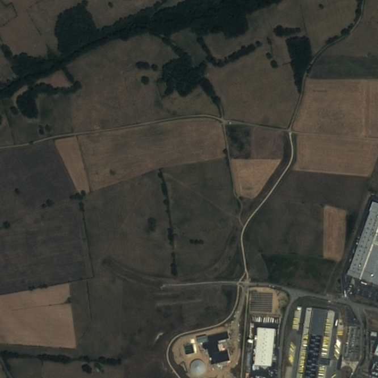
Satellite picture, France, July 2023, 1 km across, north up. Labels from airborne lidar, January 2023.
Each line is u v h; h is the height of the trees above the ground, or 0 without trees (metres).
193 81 16
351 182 0
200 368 0
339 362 0
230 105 0
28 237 0
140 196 0
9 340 0
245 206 0
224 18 23
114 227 0
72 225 0
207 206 0
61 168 0
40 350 0
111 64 0
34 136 0
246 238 0
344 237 0
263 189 0
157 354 0
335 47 0
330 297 0
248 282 0
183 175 0
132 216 0
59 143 0
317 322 0
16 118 0
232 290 0
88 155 0
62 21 16
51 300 0
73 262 0
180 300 0
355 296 0
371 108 0
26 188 0
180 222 0
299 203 0
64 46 18
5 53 17
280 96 0
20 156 0
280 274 0
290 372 0
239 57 16
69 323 0
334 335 0
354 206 0
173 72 14
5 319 0
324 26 0
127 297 0
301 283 0
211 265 0
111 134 0
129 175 0
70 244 0
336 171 0
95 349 0
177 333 0
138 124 0
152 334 0
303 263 0
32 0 0
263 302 0
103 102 0
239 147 0
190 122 0
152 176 0
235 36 20
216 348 0
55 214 0
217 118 0
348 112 0
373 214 0
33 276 0
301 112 0
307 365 0
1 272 0
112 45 0
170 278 0
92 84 0
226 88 0
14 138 0
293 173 0
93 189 0
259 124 0
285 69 0
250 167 0
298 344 0
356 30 0
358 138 0
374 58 0
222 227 0
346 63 0
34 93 22
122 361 13
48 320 0
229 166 6
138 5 0
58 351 0
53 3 0
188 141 0
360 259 0
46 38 0
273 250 0
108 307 0
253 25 0
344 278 0
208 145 0
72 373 0
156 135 0
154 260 0
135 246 0
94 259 0
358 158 0
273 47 0
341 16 0
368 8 0
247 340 0
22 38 0
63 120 0
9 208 0
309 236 0
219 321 0
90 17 17
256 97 0
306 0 0
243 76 0
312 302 0
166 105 0
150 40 0
